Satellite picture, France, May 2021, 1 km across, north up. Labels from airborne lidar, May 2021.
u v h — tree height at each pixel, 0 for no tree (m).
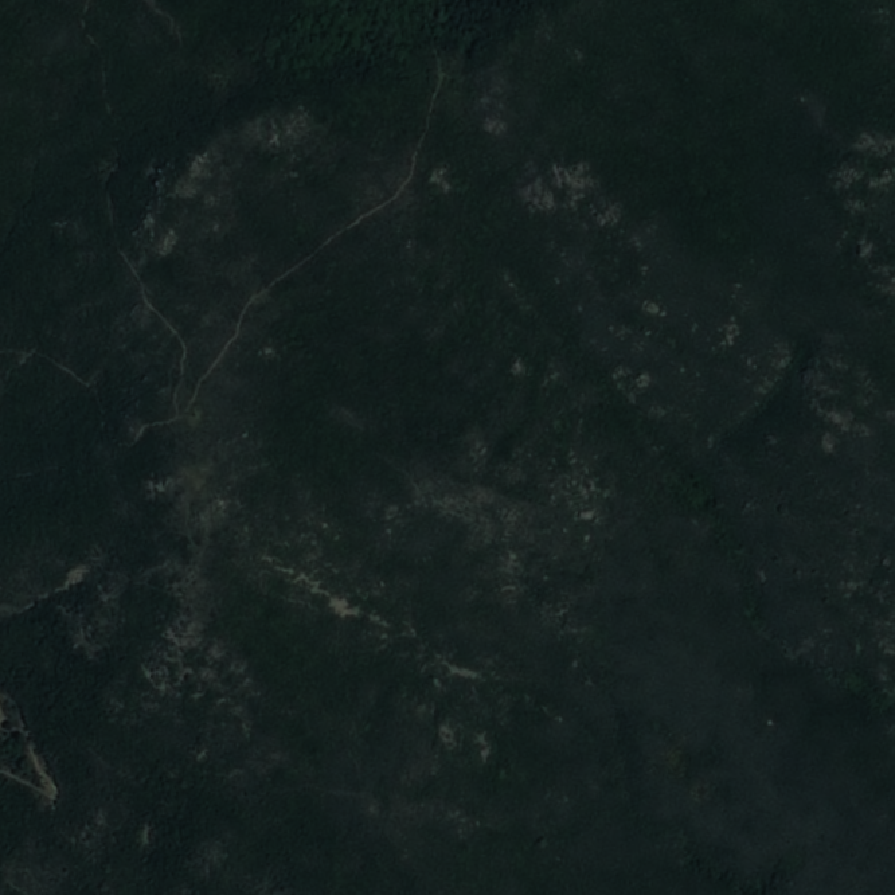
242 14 6
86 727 6
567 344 5
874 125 6
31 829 6
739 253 5
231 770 6
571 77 6
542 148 0
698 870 7
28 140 6
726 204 5
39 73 6
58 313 5
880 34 5
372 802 0
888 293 6
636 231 0
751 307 0
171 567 0
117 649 6
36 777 6
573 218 6
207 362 0
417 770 0
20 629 5
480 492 0
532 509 0
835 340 0
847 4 6
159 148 6
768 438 8
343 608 0
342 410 0
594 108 6
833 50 5
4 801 6
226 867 7
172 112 6
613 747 5
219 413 0
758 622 6
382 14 13
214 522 0
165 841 6
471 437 0
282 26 8
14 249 6
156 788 6
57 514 6
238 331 0
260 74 7
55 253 6
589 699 0
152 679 6
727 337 6
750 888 11
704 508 8
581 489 8
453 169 5
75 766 6
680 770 5
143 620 5
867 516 6
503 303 5
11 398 6
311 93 6
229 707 6
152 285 0
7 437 6
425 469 0
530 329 5
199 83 6
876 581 6
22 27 6
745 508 8
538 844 12
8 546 5
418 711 0
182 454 0
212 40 6
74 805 5
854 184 5
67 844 7
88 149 6
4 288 5
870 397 9
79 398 6
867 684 6
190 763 6
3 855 5
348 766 0
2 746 9
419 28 6
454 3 11
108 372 5
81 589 9
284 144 0
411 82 6
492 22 16
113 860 6
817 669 6
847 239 6
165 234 0
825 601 11
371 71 12
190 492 0
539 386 6
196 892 7
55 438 5
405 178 0
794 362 7
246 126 0
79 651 6
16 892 7
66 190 7
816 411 5
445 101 6
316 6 12
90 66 6
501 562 0
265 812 5
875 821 0
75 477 5
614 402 6
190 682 12
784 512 14
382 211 0
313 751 5
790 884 7
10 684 8
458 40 10
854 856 7
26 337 6
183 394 0
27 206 6
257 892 7
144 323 0
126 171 7
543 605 7
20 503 5
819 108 0
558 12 6
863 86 6
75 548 5
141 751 6
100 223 6
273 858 7
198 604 0
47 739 6
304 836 7
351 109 6
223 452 0
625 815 6
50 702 10
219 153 0
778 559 12
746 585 6
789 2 6
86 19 6
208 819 6
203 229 0
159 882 5
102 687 6
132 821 6
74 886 6
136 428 0
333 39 17
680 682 0
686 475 6
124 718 7
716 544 6
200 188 0
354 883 6
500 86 0
